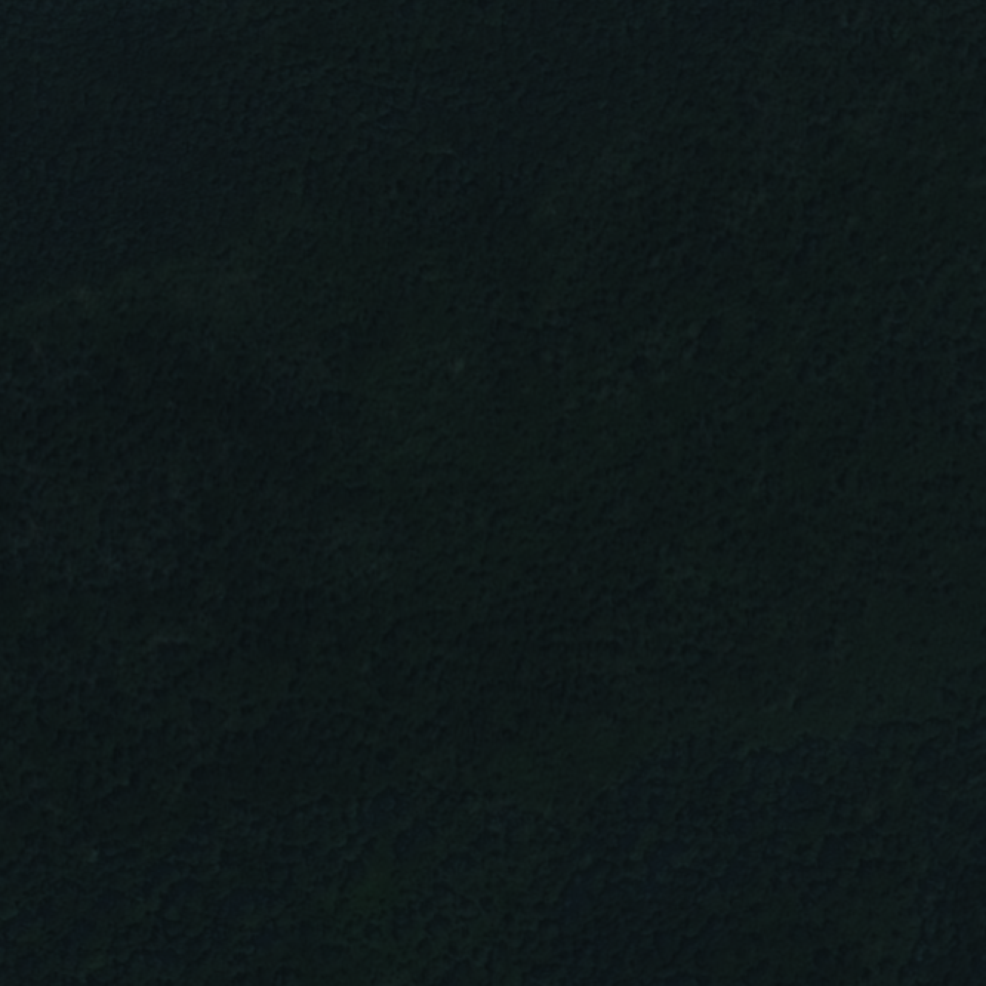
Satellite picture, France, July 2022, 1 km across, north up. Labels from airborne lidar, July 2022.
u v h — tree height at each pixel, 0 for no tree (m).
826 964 37
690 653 34
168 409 23
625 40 26
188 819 10
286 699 14
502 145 29
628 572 14
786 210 8
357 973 11
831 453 24
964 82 8
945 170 22
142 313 8
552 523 22
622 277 24
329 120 28
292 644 27
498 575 12
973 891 20
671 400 8
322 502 28
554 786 10
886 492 9
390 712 26
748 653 15
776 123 14
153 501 7
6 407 11
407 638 8
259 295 10
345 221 22
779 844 29
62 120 27
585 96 29
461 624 10
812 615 20
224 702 8
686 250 11
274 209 9
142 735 12
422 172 33
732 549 12
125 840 33
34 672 29
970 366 23
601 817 10
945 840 27
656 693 14
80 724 12
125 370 26
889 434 13
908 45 14
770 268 10
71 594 23
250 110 25
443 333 12
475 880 33
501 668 18
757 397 11
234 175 23
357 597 22
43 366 25
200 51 26
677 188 11
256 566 20
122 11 28
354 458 10
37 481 20
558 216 7
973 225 10
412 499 10
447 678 24
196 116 21
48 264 21
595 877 36
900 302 9
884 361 32
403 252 18
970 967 25
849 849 32
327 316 18
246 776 40
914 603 12
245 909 36
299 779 37
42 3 29
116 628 11
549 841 9
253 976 25
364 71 26
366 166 27
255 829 36
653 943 21
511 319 10
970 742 29
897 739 29
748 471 12
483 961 21
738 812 15
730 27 23
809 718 9
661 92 20
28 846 20
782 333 11
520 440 11
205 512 26
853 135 10
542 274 19
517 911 11
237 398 24
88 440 16
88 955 34
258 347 9
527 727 12
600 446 12
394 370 9
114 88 20
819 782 14
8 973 33
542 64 24
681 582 6
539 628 9
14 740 25
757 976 27
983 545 10
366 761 39
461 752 20
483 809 8
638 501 20
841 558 17
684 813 24
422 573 16
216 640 16
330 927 14
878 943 25
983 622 12
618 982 29
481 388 10
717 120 17
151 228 18
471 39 31
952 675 19
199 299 9
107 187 24
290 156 26
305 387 18
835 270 21
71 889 34
